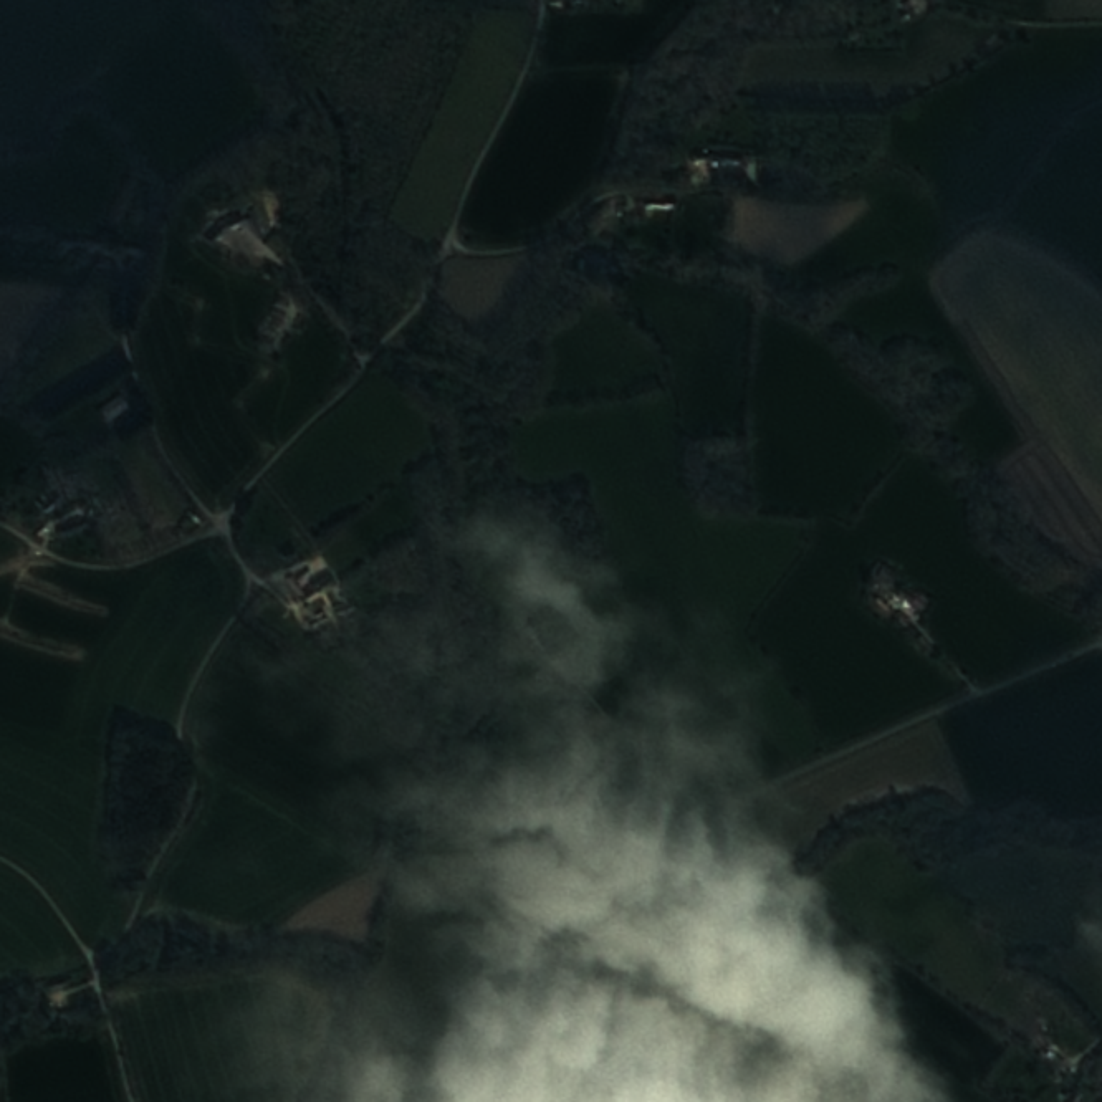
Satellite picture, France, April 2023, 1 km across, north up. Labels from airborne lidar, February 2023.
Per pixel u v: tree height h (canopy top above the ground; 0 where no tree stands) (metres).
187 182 16
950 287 0
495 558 0
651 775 0
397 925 0
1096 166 0
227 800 0
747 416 15
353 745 0
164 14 0
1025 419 0
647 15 0
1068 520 0
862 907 0
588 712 0
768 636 0
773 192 15
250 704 0
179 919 0
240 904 0
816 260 0
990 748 0
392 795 0
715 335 0
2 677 0
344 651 16
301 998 0
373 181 6
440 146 0
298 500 0
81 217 0
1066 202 0
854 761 0
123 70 0
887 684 0
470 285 0
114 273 11
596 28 0
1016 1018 0
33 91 0
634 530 0
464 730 17
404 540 13
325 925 0
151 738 22
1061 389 0
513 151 0
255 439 0
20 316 0
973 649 0
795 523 10
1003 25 8
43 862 0
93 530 12
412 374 17
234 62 0
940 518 0
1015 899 0
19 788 0
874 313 0
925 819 12
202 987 0
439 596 32
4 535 0
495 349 31
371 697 21
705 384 0
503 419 18
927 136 0
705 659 0
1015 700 0
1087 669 0
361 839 0
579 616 0
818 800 0
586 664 0
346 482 0
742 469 14
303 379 0
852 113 30
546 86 0
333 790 0
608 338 0
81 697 0
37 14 0
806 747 0
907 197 0
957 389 16
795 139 17
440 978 0
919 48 0
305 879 0
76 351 0
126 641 0
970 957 0
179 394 0
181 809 15
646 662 0
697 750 0
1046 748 0
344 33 6
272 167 7
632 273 22
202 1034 0
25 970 0
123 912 0
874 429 0
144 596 0
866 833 15
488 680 17
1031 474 0
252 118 0
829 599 0
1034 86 0
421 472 12
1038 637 0
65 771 0
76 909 0
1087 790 0
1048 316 0
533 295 32
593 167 0
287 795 0
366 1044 0
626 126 9
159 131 0
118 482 10
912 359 12
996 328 0
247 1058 0
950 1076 0
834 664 0
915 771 0
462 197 0
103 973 20
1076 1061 0
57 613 0
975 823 6
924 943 0
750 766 0
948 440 9
